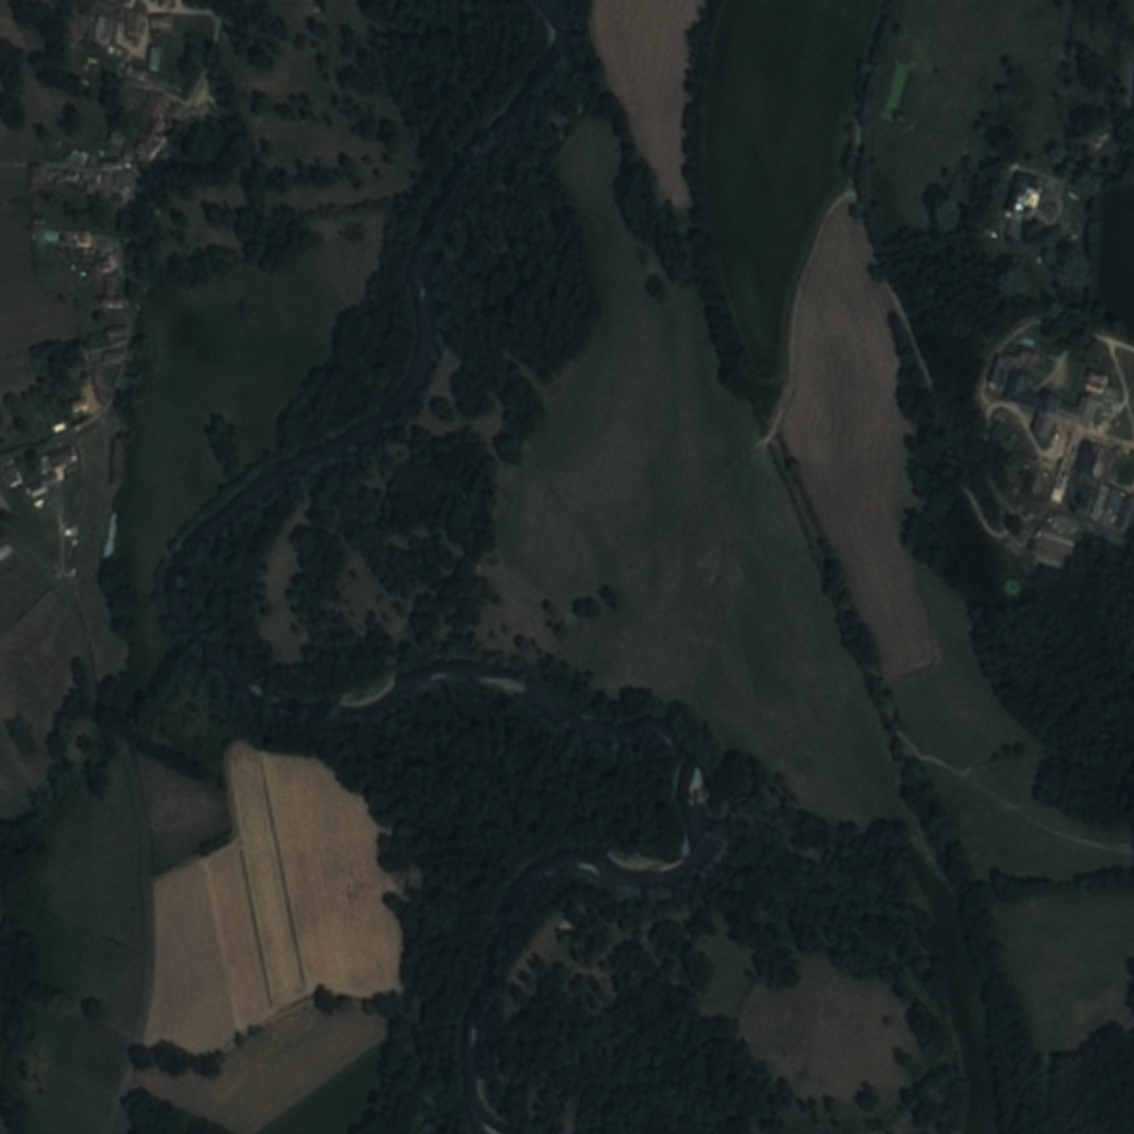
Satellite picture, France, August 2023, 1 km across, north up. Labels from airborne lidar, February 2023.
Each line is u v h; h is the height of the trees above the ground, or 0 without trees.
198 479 0
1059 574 12
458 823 13
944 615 0
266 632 0
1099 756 27
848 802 0
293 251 18
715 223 0
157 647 0
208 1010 0
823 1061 0
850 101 0
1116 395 0
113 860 0
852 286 0
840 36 0
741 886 24
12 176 0
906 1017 0
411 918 21
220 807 0
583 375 0
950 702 0
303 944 0
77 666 10
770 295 0
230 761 0
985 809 0
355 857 0
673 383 0
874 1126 11
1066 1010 0
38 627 0
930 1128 23
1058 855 0
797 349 0
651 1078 21
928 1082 12
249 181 9
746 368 21
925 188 0
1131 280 0
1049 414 0
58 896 0
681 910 11
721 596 0
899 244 18
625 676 0
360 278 0
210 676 22
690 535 0
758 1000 0
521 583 0
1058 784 25
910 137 0
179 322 0
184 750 0
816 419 0
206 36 0
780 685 0
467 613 15
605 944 12
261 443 0
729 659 0
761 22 0
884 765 0
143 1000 0
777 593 0
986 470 14
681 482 0
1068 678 14
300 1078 0
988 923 14
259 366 0
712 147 0
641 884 0
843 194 0
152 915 0
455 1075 14
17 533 0
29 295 0
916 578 0
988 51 0
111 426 0
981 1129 0
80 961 0
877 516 0
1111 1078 21
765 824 20
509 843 11
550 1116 17
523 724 14
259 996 0
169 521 0
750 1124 19
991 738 0
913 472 0
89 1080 0
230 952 0
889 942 21
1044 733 25
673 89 0
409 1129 28
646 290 0
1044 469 0
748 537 0
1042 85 0
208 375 0
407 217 17
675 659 0
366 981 0
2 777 0
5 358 0
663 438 0
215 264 18
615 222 0
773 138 0
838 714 0
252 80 0
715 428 0
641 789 23
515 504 0
